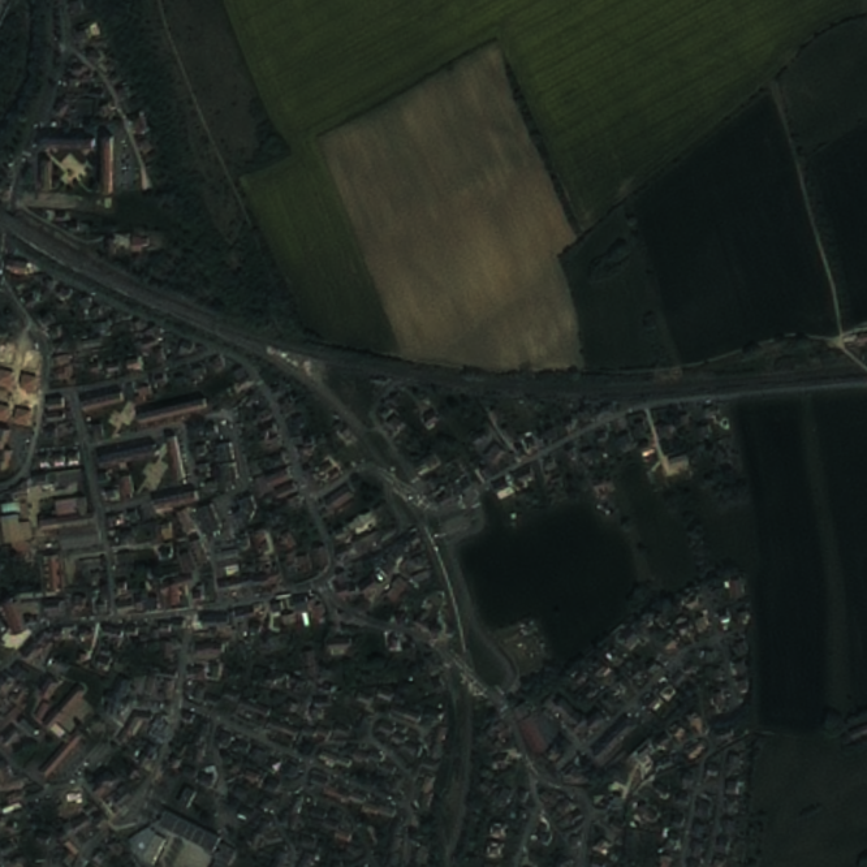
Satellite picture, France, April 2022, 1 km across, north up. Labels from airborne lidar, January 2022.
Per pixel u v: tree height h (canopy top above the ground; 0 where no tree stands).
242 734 0
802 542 0
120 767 0
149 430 0
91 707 0
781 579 0
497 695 0
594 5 0
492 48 0
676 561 0
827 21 0
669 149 0
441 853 6
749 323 0
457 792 0
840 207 0
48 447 0
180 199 17
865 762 0
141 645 16
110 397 0
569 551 0
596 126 0
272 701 8
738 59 0
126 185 0
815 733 0
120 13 17
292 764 8
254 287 7
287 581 0
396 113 0
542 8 0
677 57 0
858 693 0
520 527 0
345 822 0
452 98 0
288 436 0
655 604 11
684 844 0
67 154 0
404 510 0
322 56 0
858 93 0
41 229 0
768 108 0
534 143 6
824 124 0
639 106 0
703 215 0
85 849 0
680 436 7
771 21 0
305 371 0
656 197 0
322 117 0
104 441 0
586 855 0
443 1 0
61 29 9
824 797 0
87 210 0
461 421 0
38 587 8
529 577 0
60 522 0
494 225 0
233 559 0
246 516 0
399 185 0
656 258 0
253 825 6
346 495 0
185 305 0
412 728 0
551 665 9
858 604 0
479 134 0
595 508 0
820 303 0
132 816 0
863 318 0
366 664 11
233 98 0
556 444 0
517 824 0
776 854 0
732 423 0
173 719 0
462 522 0
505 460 0
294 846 0
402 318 0
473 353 0
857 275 0
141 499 0
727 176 0
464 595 0
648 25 0
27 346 0
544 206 0
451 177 0
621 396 0
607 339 0
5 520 0
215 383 0
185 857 0
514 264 0
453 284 0
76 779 0
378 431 0
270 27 0
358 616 0
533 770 0
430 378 0
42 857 0
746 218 0
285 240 0
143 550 0
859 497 0
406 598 6
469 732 0
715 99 0
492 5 0
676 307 0
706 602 0
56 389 0
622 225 0
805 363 0
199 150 0
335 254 0
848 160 0
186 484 0
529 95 0
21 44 19
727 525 0
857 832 0
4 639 0
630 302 0
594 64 0
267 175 0
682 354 0
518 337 0
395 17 0
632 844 10
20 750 13
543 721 0
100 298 0
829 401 0
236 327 0
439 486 6
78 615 0
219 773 0
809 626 0
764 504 0
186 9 0
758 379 0
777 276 0
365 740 0
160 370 0
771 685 0
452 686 0
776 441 0
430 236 0
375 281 0
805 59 0
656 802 0
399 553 0
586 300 0
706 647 0
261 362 7
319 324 0
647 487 0
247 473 0
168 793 14
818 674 0
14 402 0
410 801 0
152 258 7
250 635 0
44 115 0
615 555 0
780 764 0
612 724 0
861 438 0
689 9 0
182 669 0
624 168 0
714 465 7
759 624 0
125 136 0
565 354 0
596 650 10
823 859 0
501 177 0
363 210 0
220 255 13
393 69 0
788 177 0
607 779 10
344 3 0
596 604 0
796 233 0
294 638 6
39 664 0
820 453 0
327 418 0
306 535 5
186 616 0
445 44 0
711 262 0
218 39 0
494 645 0
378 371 0
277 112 0
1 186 0
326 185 0
